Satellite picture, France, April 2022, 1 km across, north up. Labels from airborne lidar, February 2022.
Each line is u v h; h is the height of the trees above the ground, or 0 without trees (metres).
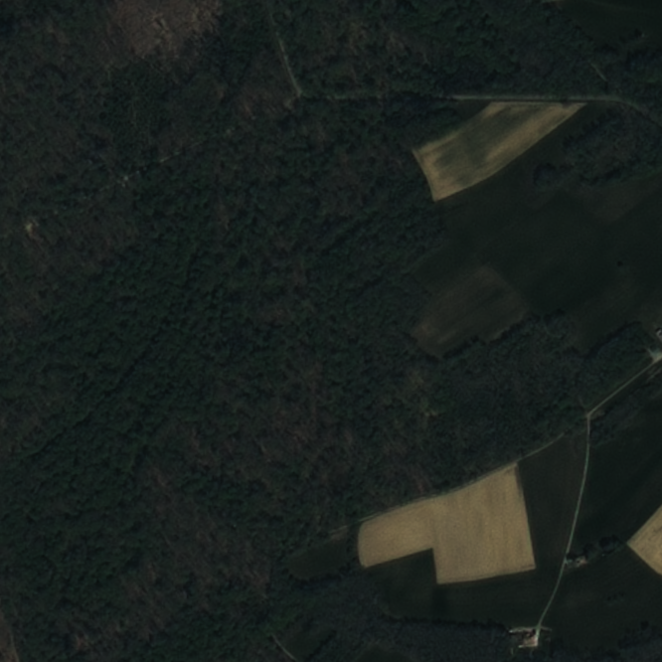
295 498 24
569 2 0
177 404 15
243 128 26
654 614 0
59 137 27
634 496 0
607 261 0
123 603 24
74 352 27
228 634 23
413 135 19
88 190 17
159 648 19
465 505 0
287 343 26
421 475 18
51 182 26
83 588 23
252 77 23
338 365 23
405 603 0
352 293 18
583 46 24
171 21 0
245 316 25
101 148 28
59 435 13
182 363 25
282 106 23
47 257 21
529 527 0
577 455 0
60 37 24
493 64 26
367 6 24
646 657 27
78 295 25
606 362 23
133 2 0
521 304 0
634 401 8
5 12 12
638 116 23
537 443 18
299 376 27
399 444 24
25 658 23
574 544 0
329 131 28
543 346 13
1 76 28
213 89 22
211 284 23
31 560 20
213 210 24
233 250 28
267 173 28
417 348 11
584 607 0
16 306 21
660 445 0
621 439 0
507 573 0
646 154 26
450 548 0
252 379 26
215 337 25
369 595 21
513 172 0
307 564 0
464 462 13
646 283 0
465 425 13
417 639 23
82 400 24
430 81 23
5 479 21
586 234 0
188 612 24
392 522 0
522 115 0
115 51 27
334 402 9
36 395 27
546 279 0
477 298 0
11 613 27
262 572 27
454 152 0
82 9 26
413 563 0
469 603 0
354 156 25
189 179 23
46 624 27
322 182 27
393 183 19
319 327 19
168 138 22
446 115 18
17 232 22
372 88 26
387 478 20
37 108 25
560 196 0
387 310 22
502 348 13
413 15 24
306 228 28
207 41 21
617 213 0
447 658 24
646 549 0
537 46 33
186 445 25
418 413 26
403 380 24
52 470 19
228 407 24
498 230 0
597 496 0
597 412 0
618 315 0
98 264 26
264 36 11
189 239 21
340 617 28
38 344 12
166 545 29
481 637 21
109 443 25
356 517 21
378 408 23
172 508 29
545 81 24
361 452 23
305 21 26
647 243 0
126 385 22
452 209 0
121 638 27
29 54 24
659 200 0
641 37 18
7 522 20
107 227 29
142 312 18
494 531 0
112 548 25
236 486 24
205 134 17
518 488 0
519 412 13
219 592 24
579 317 0
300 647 0
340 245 25
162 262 27
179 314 21
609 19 0
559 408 19
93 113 9
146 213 9
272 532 21
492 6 28
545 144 0
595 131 19
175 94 19
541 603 0
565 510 0
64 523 26
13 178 26
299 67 25
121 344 19
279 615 26
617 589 0
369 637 18
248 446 24
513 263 0
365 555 0
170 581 28
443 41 28
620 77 22
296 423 7
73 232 22
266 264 29
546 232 0
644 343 27
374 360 21
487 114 0
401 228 27
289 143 28
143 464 26
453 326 0
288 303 26
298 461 24
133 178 26
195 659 24
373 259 24
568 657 32
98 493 25
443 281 0
